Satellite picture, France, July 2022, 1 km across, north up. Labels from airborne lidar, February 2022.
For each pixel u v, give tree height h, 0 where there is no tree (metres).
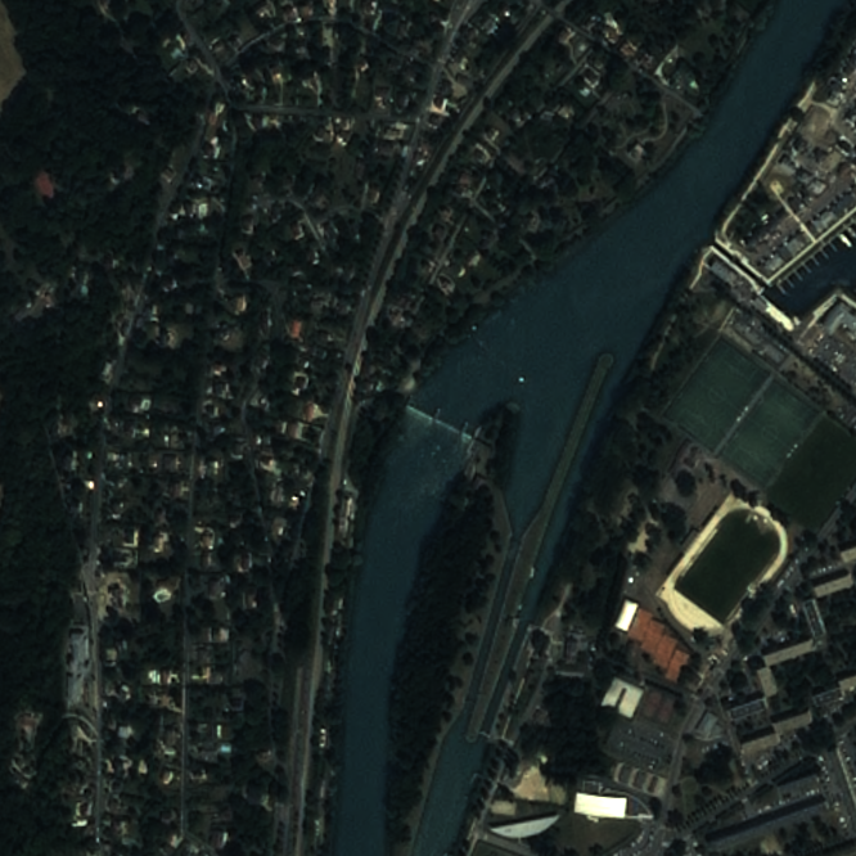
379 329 5
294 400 6
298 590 13
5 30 0
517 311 0
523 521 0
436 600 17
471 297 11
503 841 0
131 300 0
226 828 9
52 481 13
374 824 0
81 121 26
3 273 23
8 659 19
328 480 12
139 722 17
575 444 0
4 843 20
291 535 13
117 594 15
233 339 0
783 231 0
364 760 0
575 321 0
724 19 15
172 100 17
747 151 0
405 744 15
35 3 18
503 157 6
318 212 9
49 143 16
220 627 5
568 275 0
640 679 13
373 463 16
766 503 0
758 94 0
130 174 0
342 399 0
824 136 0
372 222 16
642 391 19
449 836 0
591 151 15
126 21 0
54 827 24
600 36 10
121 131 27
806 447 0
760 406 0
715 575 0
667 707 0
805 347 0
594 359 0
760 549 0
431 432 0
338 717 23
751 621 16
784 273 0
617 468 32
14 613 19
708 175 0
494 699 0
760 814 0
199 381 7
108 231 11
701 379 0
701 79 23
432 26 11
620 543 18
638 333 0
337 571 17
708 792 8
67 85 23
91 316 16
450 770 0
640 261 0
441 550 23
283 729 19
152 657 8
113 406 7
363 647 0
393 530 0
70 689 0
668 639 0
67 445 8
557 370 0
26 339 22
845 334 0
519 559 0
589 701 12
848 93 0
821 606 15
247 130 20
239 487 8
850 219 0
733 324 0
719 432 0
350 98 15
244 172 16
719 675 0
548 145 7
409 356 14
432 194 15
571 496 0
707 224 0
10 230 17
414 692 19
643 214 0
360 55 17
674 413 0
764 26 7
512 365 0
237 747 10
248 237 9
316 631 0
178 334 0
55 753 18
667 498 0
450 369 0
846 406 0
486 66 8
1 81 0
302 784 0
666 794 0
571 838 0
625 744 0
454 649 16
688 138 9
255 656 13
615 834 0
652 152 15
